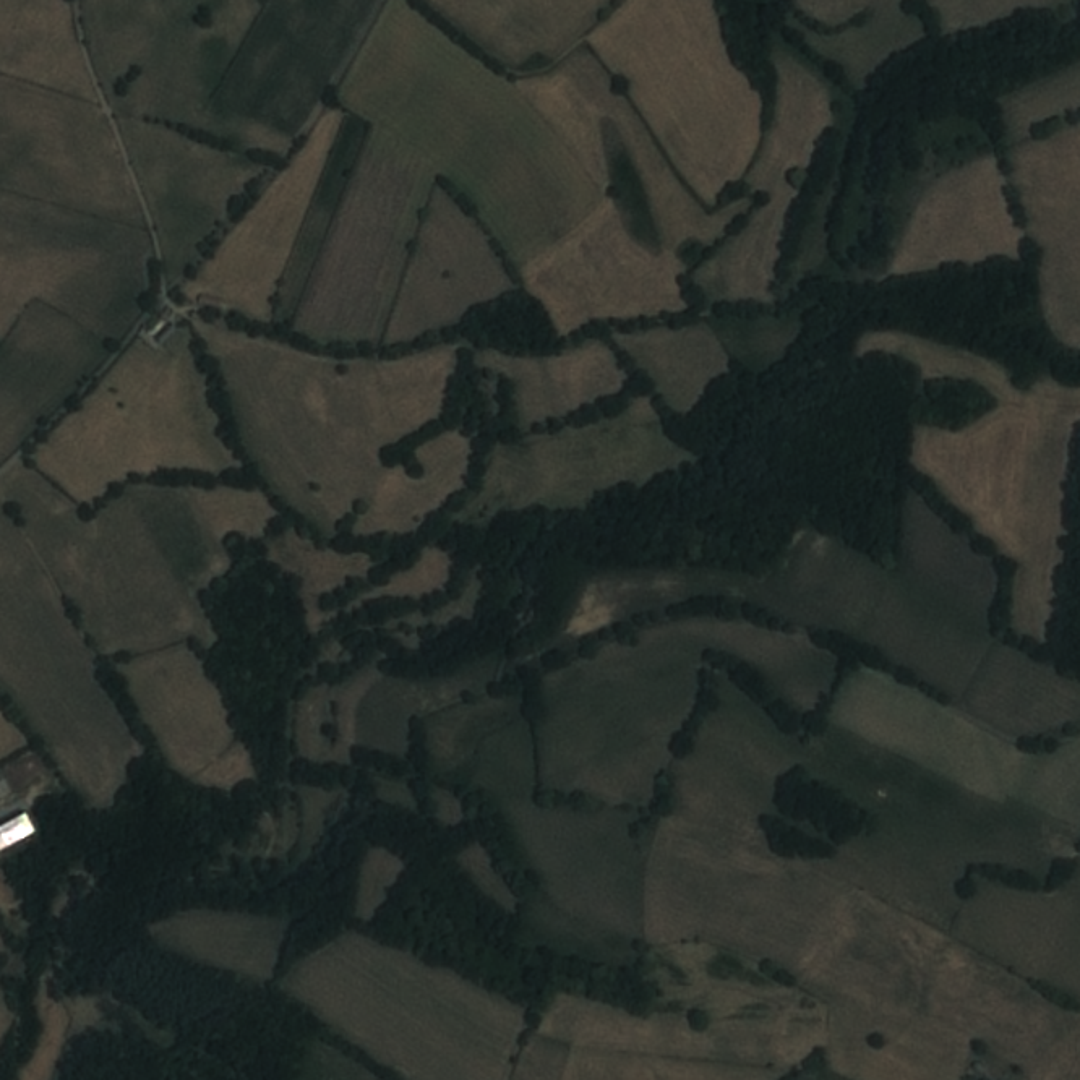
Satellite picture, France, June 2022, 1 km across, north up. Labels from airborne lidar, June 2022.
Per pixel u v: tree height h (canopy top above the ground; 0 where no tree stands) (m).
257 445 0
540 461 0
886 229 16
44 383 0
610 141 0
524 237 0
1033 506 0
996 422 0
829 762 0
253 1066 23
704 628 0
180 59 0
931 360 0
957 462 0
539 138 0
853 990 0
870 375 12
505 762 0
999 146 13
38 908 23
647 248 0
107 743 0
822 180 26
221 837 18
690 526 20
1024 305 12
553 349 12
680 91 0
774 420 12
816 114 0
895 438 14
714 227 0
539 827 0
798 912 0
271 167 13
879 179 22
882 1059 0
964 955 0
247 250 0
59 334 0
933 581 0
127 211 0
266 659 16
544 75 0
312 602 0
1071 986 0
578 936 0
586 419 18
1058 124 14
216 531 0
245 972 0
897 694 0
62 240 0
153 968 32
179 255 0
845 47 0
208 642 0
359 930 15
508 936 17
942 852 0
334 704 8
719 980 0
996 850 0
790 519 15
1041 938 0
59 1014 0
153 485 12
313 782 25
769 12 22
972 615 0
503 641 11
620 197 13
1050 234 0
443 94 0
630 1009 13
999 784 0
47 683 0
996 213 0
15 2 0
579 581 0
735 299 0
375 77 0
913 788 0
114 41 0
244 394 0
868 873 0
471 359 16
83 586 0
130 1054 19
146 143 0
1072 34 19
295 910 23
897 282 8
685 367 0
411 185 0
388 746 0
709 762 0
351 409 0
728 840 0
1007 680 0
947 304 10
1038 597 0
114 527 0
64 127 0
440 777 7
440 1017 0
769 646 0
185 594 0
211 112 0
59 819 20
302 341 13
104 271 0
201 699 0
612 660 0
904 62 21
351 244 0
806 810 21
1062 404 0
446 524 21
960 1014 0
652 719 0
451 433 15
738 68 14
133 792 11
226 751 0
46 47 0
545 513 15
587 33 0
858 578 0
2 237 0
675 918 0
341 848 8
